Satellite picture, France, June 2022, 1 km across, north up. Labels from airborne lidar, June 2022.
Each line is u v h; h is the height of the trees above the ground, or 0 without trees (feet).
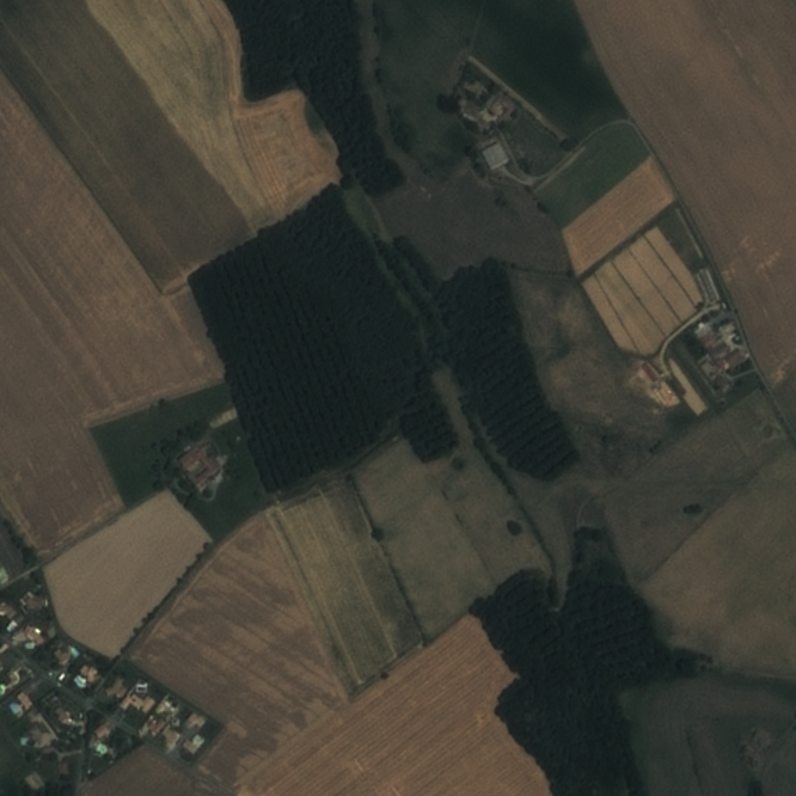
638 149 0
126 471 0
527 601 65
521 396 65
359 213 0
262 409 63
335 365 73
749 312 0
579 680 43
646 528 0
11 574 0
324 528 0
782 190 0
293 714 0
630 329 0
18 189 0
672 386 0
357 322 70
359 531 0
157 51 0
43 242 0
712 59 0
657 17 0
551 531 0
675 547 0
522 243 0
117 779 0
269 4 69
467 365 78
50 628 0
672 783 0
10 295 0
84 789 0
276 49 62
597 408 0
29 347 0
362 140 68
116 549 0
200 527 0
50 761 25
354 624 0
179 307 0
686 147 0
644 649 53
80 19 0
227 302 68
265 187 0
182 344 0
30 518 0
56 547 0
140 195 0
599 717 45
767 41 0
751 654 0
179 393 0
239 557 0
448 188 0
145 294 0
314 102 59
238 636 0
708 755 0
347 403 72
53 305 0
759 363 0
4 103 0
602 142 0
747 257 0
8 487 0
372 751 0
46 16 0
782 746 0
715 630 0
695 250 0
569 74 0
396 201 0
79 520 0
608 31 0
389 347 72
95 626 0
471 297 74
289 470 71
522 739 52
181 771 0
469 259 0
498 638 47
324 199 53
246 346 69
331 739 0
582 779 47
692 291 0
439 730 0
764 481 0
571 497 0
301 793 0
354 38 60
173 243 0
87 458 0
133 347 0
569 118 0
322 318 74
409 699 0
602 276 0
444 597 0
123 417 0
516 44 0
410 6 0
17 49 0
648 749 0
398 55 0
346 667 0
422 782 0
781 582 0
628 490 0
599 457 0
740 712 0
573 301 0
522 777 0
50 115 0
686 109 0
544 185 0
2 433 0
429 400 62
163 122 0
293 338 74
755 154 0
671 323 0
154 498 0
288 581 0
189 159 0
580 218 0
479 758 0
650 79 0
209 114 0
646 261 0
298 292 69
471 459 0
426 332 0
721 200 0
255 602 0
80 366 0
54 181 0
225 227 0
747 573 0
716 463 0
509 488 23
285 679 0
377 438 63
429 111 0
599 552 0
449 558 0
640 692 0
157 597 0
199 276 55
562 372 0
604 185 0
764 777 0
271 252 62
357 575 0
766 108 0
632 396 0
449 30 0
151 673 0
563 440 61
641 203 0
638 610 53
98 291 0
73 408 0
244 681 0
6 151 0
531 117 19
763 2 0
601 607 58
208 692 0
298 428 71
